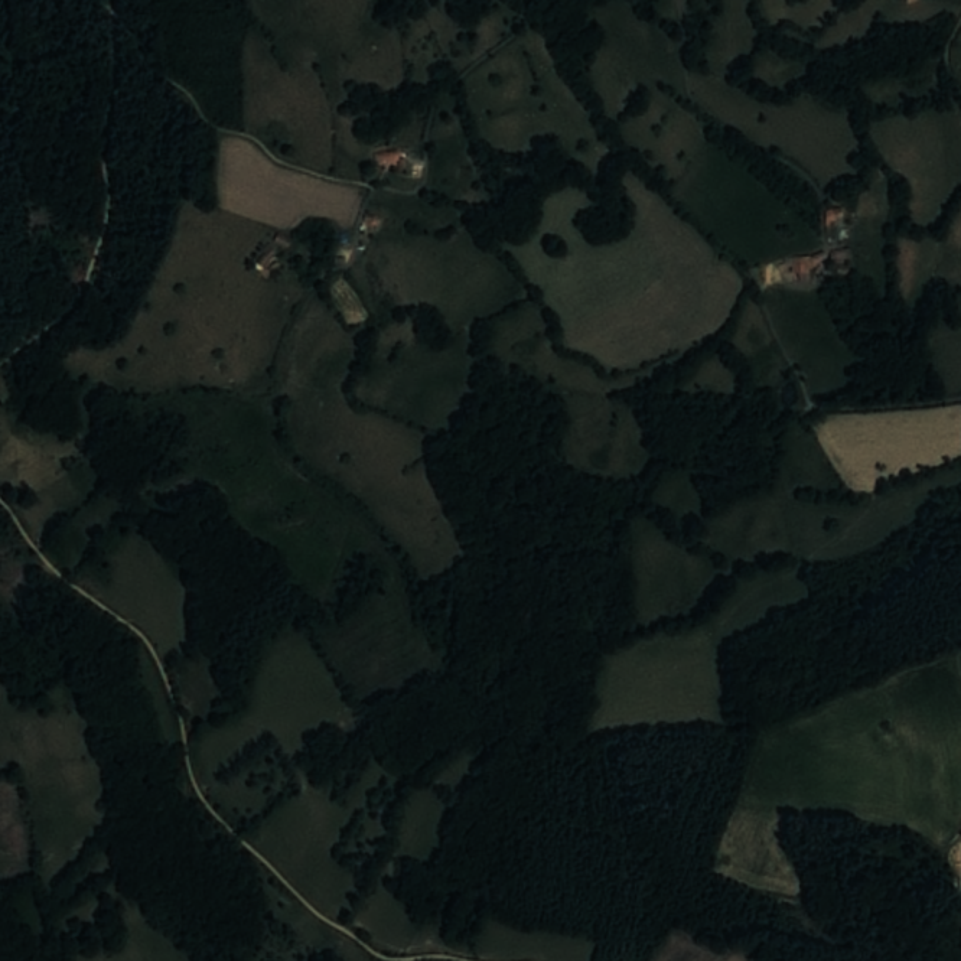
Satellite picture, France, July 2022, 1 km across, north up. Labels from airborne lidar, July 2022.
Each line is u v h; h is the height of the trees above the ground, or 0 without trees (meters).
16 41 24
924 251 0
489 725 18
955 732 0
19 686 10
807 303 0
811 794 0
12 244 17
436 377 0
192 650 22
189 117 28
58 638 22
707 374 0
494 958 0
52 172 24
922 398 16
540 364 0
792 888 0
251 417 0
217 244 0
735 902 15
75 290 21
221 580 28
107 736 17
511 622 23
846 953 16
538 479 26
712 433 17
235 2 9
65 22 20
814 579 18
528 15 14
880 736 0
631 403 12
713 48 0
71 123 26
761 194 0
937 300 19
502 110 0
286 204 0
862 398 8
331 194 0
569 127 0
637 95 15
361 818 10
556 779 11
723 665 12
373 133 14
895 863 10
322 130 0
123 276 29
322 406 0
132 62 22
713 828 10
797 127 0
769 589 0
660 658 0
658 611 0
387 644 0
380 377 0
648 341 0
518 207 27
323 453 0
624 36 0
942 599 28
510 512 26
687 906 8
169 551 27
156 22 7
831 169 0
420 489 0
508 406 15
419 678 14
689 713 0
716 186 0
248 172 0
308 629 17
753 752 6
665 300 0
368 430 0
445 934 15
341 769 20
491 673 7
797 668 20
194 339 0
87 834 0
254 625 26
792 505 0
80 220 24
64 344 25
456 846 11
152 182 19
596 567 22
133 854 23
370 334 18
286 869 0
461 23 16
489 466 22
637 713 0
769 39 17
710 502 17
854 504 14
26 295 19
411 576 10
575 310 0
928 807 0
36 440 0
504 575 16
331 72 0
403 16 11
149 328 0
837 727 0
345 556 0
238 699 20
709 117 10
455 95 15
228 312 0
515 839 12
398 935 0
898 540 11
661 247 0
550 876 11
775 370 0
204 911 18
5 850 0
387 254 0
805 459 0
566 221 0
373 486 0
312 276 9
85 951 14
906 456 0
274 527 0
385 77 0
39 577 21
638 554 0
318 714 0
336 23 0
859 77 19
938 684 0
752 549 0
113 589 0
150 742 19
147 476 23
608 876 12
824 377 0
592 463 0
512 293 0
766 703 20
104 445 24
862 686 13
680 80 0
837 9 15
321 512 0
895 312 16
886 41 21
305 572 0
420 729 21
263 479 0
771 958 16
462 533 14
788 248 0
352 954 0
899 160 0
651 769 28
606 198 24
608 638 21
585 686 18
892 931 19
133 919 0
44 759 0
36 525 0
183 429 12
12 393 6
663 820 9
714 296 0
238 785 0
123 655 18
